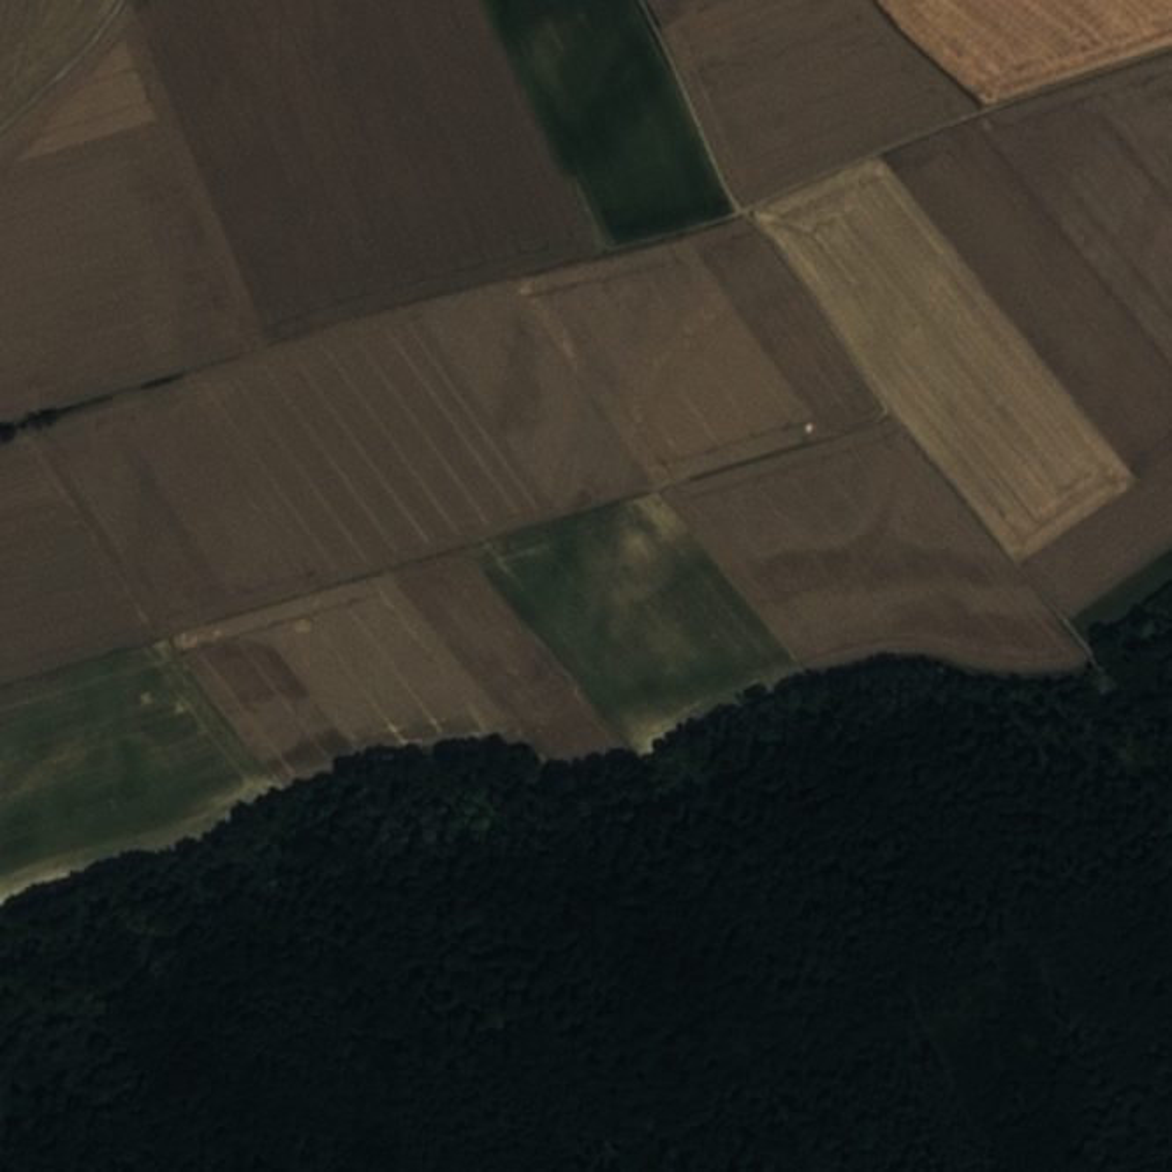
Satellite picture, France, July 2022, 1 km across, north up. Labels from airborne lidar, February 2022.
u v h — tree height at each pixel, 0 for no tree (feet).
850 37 0
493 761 81
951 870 37
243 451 0
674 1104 74
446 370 0
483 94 0
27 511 0
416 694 0
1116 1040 72
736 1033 80
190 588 0
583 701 0
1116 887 69
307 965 82
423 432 0
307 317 0
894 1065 54
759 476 0
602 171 0
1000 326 0
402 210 0
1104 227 0
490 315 0
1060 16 0
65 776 0
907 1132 70
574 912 72
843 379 0
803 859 89
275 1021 82
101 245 0
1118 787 69
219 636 0
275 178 0
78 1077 29
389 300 0
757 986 74
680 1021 61
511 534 0
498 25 0
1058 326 0
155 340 0
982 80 0
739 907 72
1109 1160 78
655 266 0
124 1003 64
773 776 78
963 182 0
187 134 0
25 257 0
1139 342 0
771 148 0
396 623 0
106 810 0
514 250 0
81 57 0
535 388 0
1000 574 0
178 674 0
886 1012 67
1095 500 0
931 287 0
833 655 0
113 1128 71
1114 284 0
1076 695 35
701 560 0
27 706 0
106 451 0
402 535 0
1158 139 0
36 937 28
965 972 80
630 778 65
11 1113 26
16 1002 68
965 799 67
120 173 0
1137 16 0
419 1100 80
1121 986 72
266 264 0
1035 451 0
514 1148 80
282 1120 81
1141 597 0
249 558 0
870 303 0
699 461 0
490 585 0
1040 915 77
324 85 0
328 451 0
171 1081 77
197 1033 75
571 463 0
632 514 0
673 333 0
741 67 0
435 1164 80
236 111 0
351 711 0
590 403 0
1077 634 0
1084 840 61
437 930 49
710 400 0
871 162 0
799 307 0
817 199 0
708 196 0
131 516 0
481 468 0
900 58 0
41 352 0
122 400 0
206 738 0
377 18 0
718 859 67
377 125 0
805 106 0
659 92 0
